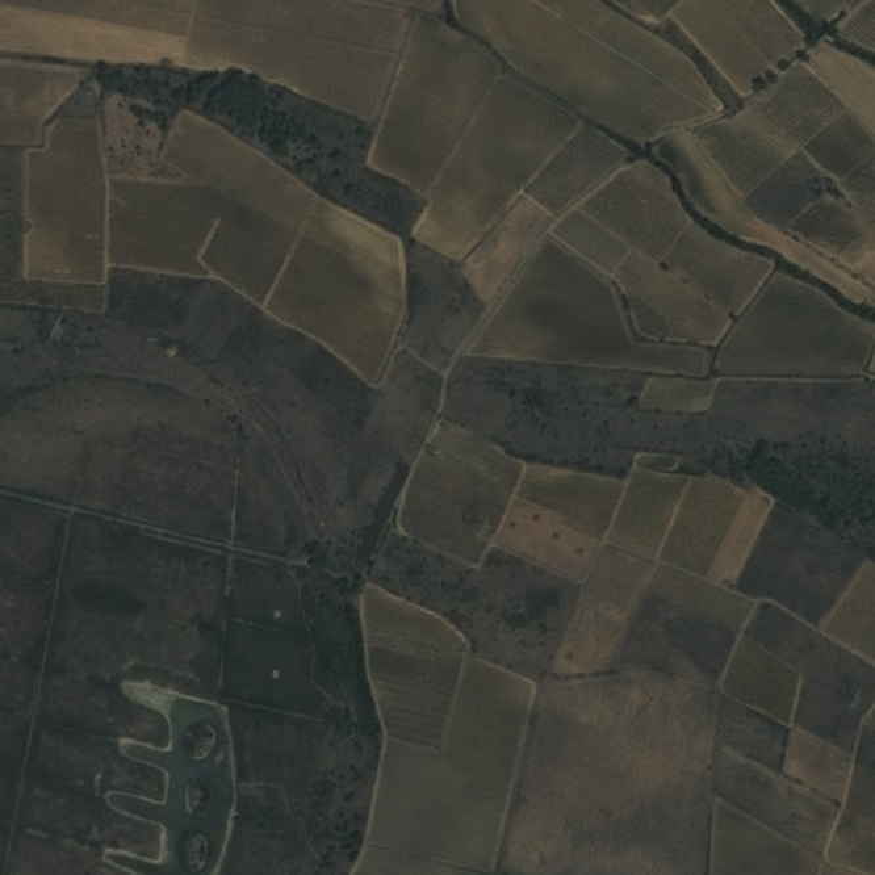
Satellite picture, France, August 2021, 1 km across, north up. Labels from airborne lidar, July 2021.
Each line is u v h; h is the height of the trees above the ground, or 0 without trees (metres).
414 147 0
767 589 0
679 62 0
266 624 0
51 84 0
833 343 0
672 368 0
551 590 0
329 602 7
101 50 0
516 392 11
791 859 0
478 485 0
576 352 0
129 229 0
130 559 0
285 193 0
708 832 0
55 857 0
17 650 0
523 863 0
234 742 0
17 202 0
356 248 0
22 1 0
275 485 0
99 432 0
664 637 0
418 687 0
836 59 0
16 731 0
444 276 0
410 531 0
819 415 0
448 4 8
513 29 0
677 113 0
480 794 0
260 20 0
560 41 0
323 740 0
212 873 0
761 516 0
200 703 0
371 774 0
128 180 0
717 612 0
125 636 0
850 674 0
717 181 0
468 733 0
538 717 0
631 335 0
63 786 0
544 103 0
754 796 0
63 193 0
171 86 11
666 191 0
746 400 0
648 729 0
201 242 0
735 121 0
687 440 0
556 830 0
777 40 0
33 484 0
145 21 0
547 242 0
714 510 0
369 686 9
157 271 0
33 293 0
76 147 0
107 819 0
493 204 0
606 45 0
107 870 0
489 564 0
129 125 0
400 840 0
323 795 6
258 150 0
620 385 0
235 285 0
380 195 6
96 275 0
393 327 0
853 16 0
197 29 0
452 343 0
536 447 0
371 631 0
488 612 0
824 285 8
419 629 0
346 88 0
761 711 0
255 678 0
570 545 0
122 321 0
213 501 0
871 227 0
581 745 0
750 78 0
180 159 0
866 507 9
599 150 0
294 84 0
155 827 0
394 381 0
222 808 0
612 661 0
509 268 0
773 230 0
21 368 0
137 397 0
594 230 0
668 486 0
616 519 0
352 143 0
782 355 0
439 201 0
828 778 0
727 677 0
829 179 6
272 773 0
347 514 0
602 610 0
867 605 0
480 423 0
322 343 0
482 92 0
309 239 0
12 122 0
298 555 0
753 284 0
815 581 0
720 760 0
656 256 0
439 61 0
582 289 0
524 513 0
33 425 0
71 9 0
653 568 0
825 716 0
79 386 0
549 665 0
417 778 0
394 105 0
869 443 0
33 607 0
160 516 0
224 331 0
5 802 0
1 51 0
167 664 0
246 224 0
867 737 0
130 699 0
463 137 0
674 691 0
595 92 0
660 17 0
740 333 0
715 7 0
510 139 0
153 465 0
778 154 0
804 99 0
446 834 0
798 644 0
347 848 8
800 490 15
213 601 0
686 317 0
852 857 0
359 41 0
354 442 0
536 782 0
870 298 0
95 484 0
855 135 0
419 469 0
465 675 0
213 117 5
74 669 0
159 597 0
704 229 9
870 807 0
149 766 0
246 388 6
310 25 0
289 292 0
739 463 8
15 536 0
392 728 0
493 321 0
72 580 0
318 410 0
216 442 0
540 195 0
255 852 0
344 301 0
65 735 0
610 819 0
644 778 0
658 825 0
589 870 0
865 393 0
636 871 0
